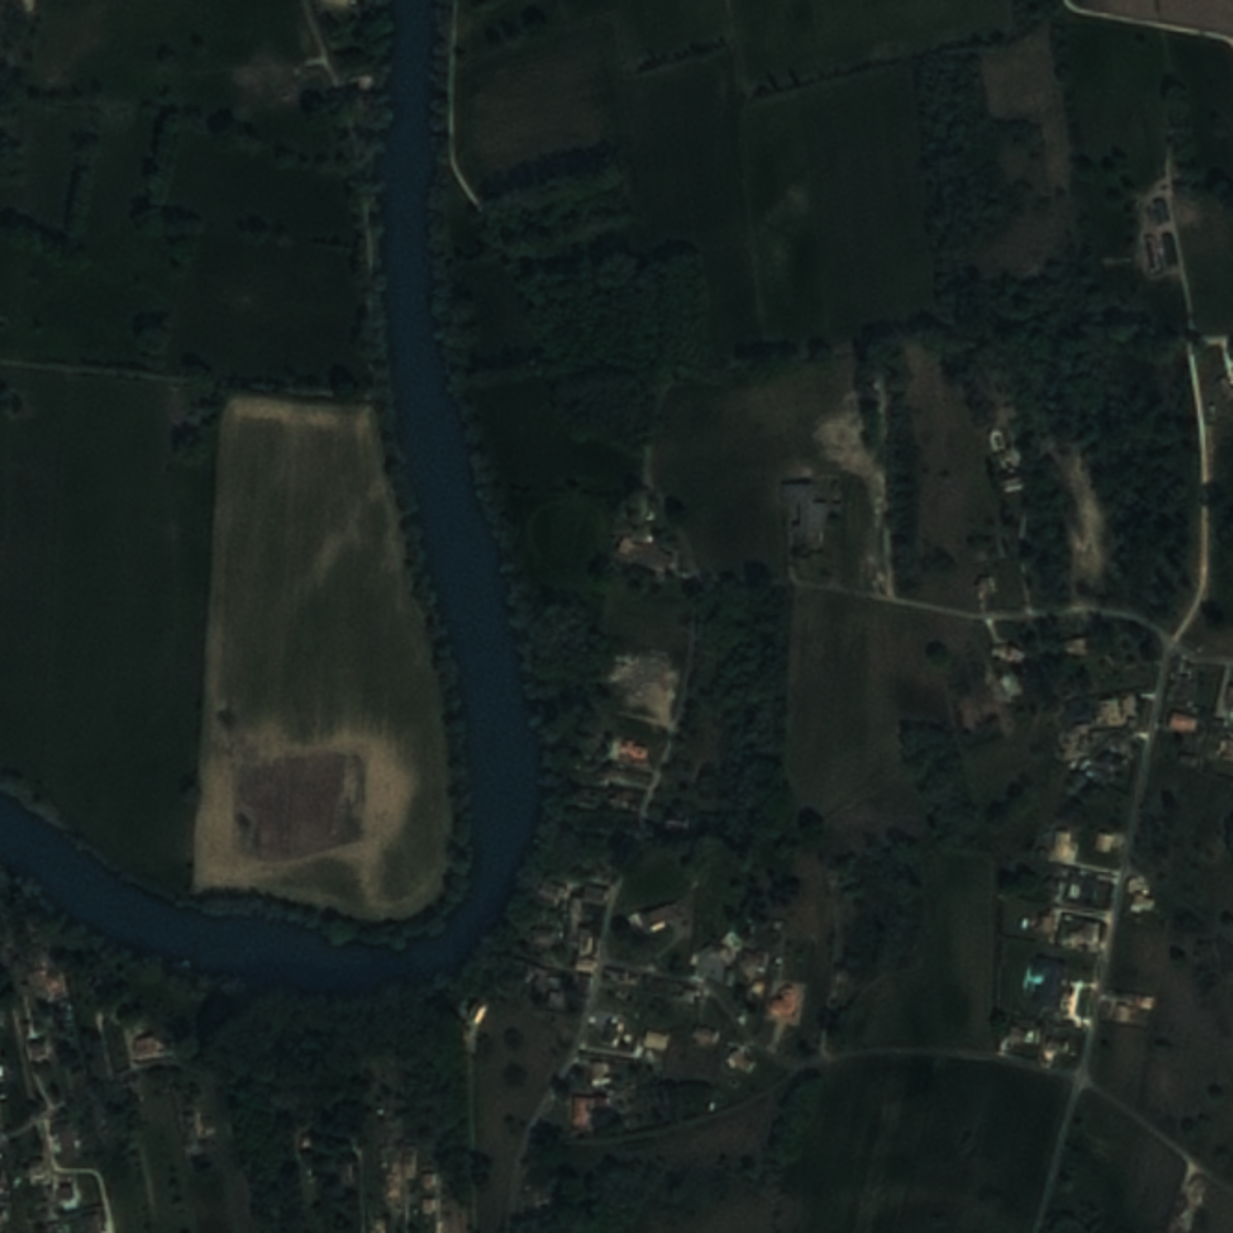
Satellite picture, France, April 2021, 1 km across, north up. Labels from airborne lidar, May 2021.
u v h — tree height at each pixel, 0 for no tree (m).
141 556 0
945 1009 0
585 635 17
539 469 0
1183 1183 0
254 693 0
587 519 0
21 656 0
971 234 21
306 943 0
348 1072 20
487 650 0
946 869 0
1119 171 13
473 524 0
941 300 13
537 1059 0
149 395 0
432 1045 26
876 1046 0
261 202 0
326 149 0
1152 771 0
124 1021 13
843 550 0
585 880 10
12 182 14
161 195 15
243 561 0
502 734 0
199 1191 0
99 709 0
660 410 19
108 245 0
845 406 0
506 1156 0
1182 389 9
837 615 0
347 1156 14
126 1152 8
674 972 9
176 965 11
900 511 7
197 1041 24
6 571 0
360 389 16
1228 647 0
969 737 7
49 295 0
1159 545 24
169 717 0
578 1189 15
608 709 21
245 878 0
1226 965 6
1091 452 11
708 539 0
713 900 0
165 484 0
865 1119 0
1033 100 0
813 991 0
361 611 0
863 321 0
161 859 0
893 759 0
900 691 0
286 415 0
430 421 0
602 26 0
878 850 15
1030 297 13
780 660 20
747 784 19
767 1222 0
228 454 0
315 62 0
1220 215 0
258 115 0
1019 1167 0
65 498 0
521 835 0
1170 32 0
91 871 0
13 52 16
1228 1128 0
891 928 11
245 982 16
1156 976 0
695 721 10
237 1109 14
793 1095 7
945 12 0
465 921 0
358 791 0
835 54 0
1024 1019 0
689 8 0
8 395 14
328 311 0
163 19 0
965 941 0
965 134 13
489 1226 0
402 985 31
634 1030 0
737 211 0
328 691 0
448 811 0
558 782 9
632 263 25
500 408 0
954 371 9
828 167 0
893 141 0
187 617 0
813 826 17
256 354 0
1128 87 0
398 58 0
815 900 0
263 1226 12
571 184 28
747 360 15
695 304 18
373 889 0
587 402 28
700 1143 0
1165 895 0
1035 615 0
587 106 0
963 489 0
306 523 0
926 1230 0
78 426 0
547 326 19
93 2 0
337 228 0
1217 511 20
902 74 0
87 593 0
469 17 0
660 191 0
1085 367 14
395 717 0
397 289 0
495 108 0
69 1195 0
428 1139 11
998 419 11
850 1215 0
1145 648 8
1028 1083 0
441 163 15
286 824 0
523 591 23
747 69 0
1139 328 12
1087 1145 0
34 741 0
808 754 0
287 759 0
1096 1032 0
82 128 0
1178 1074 0
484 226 16
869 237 0
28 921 16
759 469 0
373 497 0
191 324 0
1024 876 11
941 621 0
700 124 0
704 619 8
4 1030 6
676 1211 7
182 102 0
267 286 0
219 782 0
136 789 0
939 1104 0
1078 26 0
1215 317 0
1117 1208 0
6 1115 0
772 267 0
